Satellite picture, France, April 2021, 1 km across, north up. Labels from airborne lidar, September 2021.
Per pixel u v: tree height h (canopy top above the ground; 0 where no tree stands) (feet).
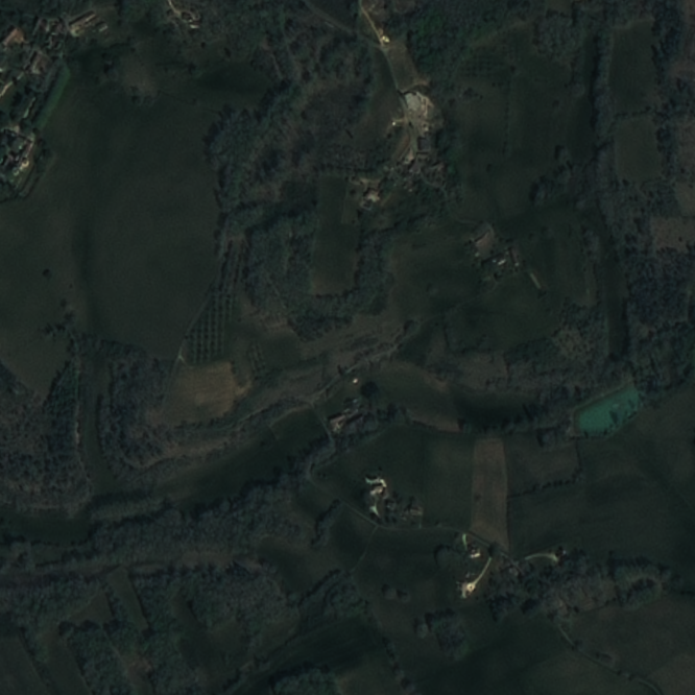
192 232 0
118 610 57
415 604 0
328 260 0
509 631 0
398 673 47
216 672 0
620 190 44
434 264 0
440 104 57
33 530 0
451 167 41
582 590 57
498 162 0
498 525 0
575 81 26
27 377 0
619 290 0
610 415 0
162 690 68
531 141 0
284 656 0
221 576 24
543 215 0
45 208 0
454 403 0
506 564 34
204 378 0
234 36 80
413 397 0
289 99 67
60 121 0
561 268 0
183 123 0
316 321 59
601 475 0
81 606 72
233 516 60
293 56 53
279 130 73
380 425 47
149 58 0
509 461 0
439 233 0
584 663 0
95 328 0
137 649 84
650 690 0
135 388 31
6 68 45
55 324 0
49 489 52
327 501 0
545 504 0
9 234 0
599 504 0
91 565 71
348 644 0
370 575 0
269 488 66
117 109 0
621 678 30
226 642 0
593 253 68
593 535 0
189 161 0
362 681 0
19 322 0
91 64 0
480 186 0
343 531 0
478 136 0
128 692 66
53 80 53
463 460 0
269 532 53
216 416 0
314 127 79
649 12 52
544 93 0
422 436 0
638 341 39
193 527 34
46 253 0
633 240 21
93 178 0
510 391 42
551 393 69
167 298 0
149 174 0
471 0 51
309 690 78
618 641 0
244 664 0
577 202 45
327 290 0
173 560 35
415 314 0
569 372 36
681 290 71
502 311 0
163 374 42
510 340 0
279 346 0
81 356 28
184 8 25
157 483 78
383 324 0
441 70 88
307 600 33
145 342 0
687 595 21
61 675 0
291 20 61
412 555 0
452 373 21
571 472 0
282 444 0
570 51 72
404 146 0
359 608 47
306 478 45
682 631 0
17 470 44
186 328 0
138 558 50
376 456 0
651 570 75
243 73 0
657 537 0
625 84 0
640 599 57
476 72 33
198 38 69
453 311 31
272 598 51
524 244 0
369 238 41
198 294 0
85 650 74
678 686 0
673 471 0
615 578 62
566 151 43
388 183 44
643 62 0
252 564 0
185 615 0
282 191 26
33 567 58
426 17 85
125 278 0
